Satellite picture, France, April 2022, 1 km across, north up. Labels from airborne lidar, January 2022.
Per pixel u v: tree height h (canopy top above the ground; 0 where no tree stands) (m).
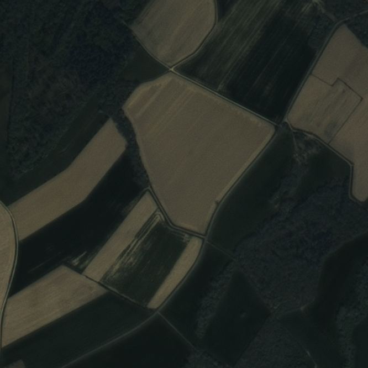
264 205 0
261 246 21
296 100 0
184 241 0
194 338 0
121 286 0
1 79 0
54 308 0
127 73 0
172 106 0
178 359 0
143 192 0
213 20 0
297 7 0
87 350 0
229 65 0
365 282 13
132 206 0
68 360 0
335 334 0
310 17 0
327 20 12
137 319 0
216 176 0
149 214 0
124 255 0
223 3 0
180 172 0
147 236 0
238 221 0
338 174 0
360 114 0
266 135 0
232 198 0
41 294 0
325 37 15
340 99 0
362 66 0
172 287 0
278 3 0
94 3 20
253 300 0
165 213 0
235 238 0
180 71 0
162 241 0
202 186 0
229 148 0
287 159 0
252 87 0
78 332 0
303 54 0
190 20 0
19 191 0
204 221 0
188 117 0
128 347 0
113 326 0
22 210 0
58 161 0
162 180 0
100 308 0
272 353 6
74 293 0
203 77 0
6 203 0
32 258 0
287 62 0
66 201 0
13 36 24
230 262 12
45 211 0
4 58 28
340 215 30
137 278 0
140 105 0
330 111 0
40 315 0
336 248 20
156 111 0
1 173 0
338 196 21
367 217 21
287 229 27
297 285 25
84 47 25
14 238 0
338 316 13
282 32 0
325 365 0
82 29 11
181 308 0
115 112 24
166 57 0
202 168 0
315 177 0
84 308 0
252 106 0
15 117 25
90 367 0
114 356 0
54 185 0
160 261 0
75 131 0
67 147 0
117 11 23
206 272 0
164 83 0
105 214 0
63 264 0
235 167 0
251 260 24
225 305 0
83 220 0
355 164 0
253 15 0
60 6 15
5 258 0
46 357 0
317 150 0
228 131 0
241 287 0
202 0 0
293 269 23
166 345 0
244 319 0
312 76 0
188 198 0
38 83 25
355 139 0
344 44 0
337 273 0
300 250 20
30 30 20
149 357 0
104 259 0
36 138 24
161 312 0
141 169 19
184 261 0
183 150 0
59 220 0
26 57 22
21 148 29
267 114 0
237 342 0
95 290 0
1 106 0
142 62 0
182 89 0
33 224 0
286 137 0
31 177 0
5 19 25
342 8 11
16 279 0
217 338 0
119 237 0
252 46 0
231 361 0
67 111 22
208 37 0
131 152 23
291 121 0
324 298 0
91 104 0
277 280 26
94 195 0
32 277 0
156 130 0
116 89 18
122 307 0
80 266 0
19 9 20
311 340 0
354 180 0
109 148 0
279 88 0
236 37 0
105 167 0
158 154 0
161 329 0
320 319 0
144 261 0
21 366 0
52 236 0
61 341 0
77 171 0
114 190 0
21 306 0
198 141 0
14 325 0
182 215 0
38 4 20
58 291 0
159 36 0
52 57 21
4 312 0
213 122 0
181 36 0
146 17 0
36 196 0
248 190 0
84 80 26
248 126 0
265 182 0
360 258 0
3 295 0
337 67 0
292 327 0
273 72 0
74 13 18
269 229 19
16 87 20
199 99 0
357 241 0
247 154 0
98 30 6
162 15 0
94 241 0
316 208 29
